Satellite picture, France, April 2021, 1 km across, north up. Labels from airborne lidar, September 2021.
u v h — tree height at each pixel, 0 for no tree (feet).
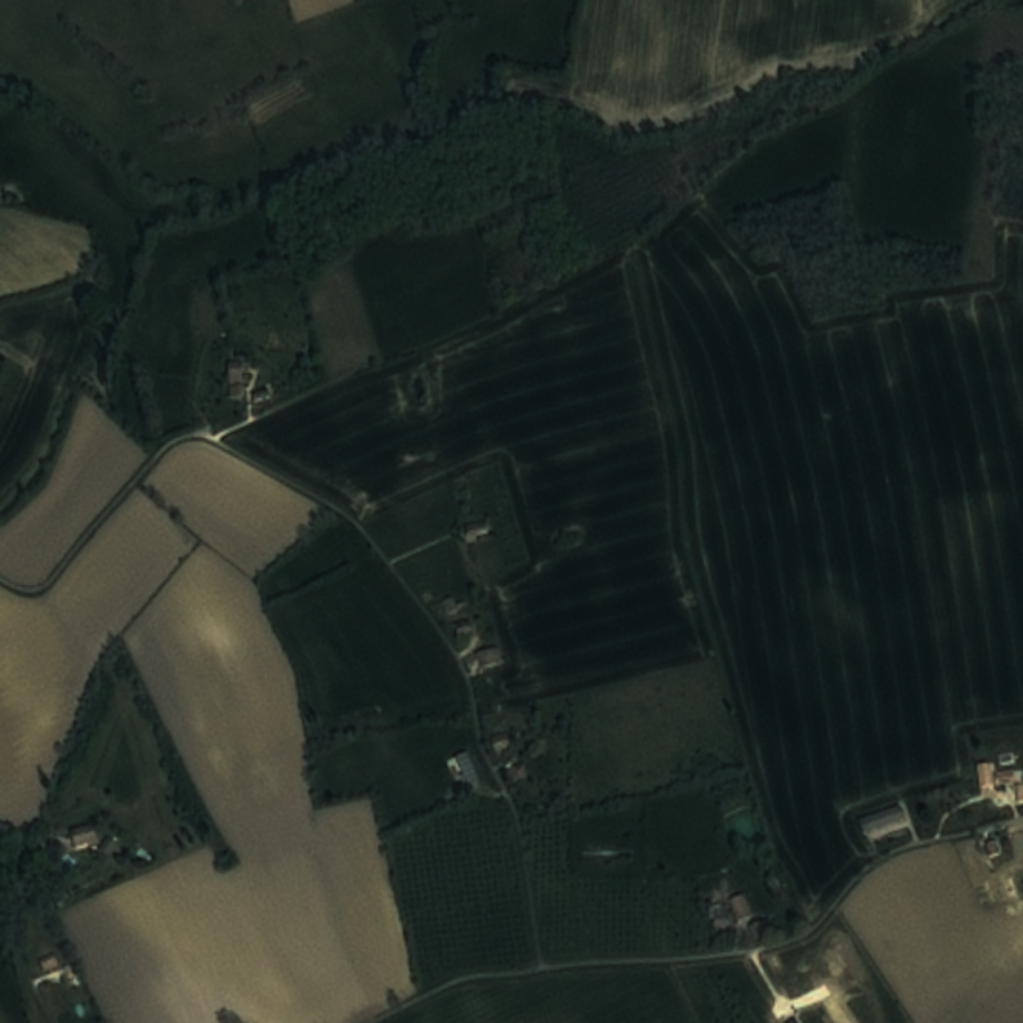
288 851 0
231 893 0
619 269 0
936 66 0
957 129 0
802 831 0
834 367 0
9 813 0
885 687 0
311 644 0
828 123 0
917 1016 0
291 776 0
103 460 0
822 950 0
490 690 0
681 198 40
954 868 0
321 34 0
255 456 0
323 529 51
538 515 0
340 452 0
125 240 0
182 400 0
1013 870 0
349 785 0
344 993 0
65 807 0
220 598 0
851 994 0
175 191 35
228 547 0
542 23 0
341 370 0
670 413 0
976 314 0
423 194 87
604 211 18
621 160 29
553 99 0
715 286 0
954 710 0
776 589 0
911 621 0
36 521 0
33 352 0
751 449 0
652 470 0
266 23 0
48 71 0
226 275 47
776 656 0
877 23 0
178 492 0
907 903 0
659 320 0
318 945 0
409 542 0
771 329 0
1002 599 0
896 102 0
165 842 0
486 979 0
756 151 35
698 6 0
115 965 0
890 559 0
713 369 0
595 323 0
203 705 0
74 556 0
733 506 0
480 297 0
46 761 0
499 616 0
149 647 0
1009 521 0
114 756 0
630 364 0
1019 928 0
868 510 0
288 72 35
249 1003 0
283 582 0
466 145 86
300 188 53
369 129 0
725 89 0
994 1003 0
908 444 0
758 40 0
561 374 0
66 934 51
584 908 0
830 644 0
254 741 0
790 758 0
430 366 0
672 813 0
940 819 0
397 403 0
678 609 0
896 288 40
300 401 0
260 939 0
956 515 0
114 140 0
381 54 0
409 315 0
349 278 0
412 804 0
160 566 0
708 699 0
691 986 0
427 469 0
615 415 0
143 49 0
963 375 0
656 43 0
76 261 0
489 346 0
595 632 0
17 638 0
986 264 0
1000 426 0
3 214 0
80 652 0
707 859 0
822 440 0
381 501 0
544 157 88
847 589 0
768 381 0
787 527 0
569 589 0
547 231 67
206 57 0
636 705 0
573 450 0
